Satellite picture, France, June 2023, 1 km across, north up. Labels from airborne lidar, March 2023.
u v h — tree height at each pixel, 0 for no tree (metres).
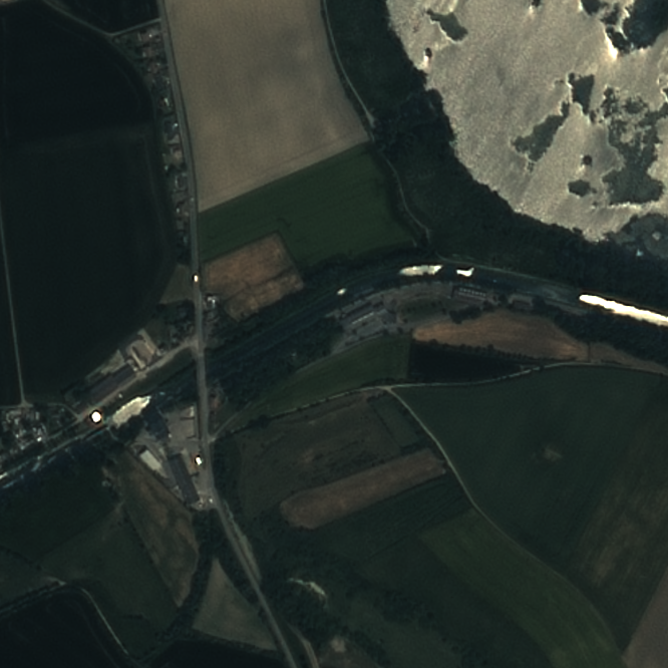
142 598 0
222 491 8
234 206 0
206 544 9
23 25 0
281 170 0
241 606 0
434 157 0
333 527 0
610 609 0
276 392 0
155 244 0
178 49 0
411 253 14
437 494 0
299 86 0
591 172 0
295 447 0
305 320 7
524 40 0
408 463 0
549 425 0
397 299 0
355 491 0
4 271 0
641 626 0
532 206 0
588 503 0
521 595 0
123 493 0
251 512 0
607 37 0
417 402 0
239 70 0
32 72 0
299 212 0
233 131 0
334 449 0
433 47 0
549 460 0
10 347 0
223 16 0
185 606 6
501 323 0
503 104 0
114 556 0
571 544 0
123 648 6
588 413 0
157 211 0
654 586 0
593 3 0
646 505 0
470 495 0
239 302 0
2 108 0
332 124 0
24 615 0
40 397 0
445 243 0
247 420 0
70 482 0
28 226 0
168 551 0
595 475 0
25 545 0
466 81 0
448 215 0
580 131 0
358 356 0
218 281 0
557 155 0
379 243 0
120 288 0
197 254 0
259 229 0
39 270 0
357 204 0
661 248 0
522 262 0
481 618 0
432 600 0
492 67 0
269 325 6
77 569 0
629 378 0
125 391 0
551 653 0
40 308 0
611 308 0
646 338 25
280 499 0
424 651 0
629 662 0
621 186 0
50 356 0
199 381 0
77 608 0
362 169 0
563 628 0
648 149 0
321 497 0
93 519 0
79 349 0
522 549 0
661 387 0
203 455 0
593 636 0
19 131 0
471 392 0
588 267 31
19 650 0
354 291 0
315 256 0
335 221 0
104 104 0
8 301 0
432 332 0
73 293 0
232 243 0
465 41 0
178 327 7
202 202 0
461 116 0
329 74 0
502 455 0
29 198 0
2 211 0
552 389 0
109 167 0
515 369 0
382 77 0
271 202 0
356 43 0
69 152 0
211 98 0
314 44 0
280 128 0
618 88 0
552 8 0
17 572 0
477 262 0
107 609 0
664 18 9
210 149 0
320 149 0
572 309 0
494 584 0
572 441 0
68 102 0
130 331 0
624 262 23
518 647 0
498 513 0
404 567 0
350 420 0
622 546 0
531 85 0
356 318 0
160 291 0
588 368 0
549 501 0
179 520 0
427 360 0
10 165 0
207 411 0
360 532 0
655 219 0
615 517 0
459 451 0
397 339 0
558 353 0
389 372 0
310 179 0
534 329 0
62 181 0
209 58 0
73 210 0
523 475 0
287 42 0
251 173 0
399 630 0
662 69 0
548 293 0
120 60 0
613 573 0
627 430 0
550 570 0
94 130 0
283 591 7
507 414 0
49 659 0
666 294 19
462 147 0
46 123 0
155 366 0
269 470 0
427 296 0
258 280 0
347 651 0
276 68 0
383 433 0
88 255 0
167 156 0
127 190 0
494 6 0
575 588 0
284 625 0
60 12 0
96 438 7
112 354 0
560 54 0
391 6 0
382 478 0
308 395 0
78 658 0
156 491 0
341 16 0
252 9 0
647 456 0
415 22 0
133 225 0
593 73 0
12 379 0
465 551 0
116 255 0
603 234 0
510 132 0
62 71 0
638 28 0
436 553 0
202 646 0
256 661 0
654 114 0
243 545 0
